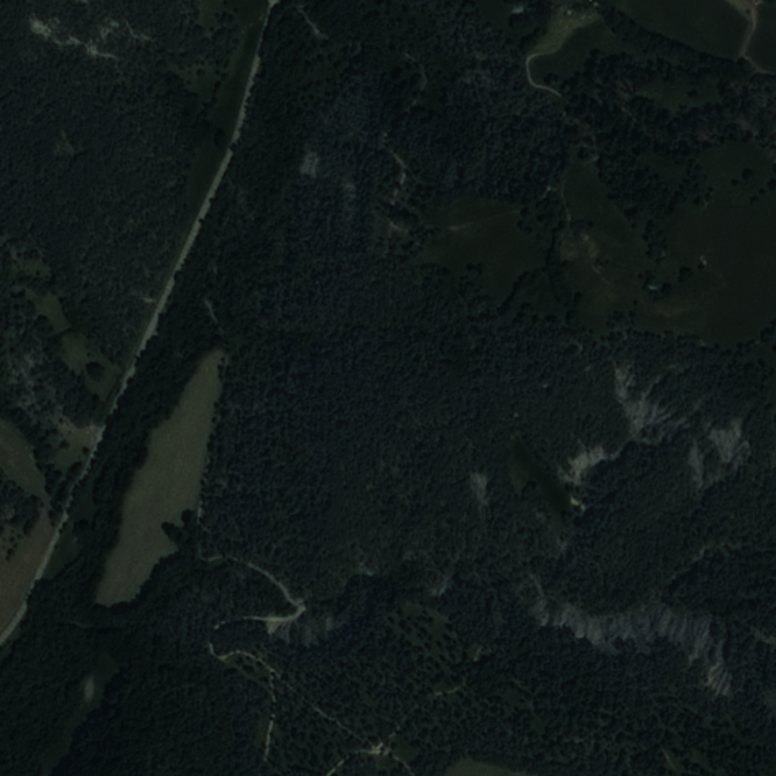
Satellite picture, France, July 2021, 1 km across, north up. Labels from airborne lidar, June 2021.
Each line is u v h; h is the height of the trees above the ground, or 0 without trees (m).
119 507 17
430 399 12
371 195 18
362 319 15
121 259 11
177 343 13
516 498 12
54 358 9
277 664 10
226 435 16
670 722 18
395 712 11
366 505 8
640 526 10
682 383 10
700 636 0
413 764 11
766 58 0
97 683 0
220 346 12
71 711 12
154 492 0
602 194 0
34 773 15
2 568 0
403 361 15
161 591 10
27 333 11
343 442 11
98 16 6
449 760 9
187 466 0
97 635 21
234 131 0
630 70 17
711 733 21
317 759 17
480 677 15
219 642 10
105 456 18
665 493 12
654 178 18
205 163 0
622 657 8
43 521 0
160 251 9
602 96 14
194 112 22
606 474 12
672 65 16
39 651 14
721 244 0
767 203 0
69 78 12
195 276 9
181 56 12
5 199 16
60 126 14
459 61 9
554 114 9
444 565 13
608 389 6
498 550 12
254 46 0
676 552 18
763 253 0
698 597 16
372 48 21
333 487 10
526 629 16
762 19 0
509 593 14
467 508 9
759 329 0
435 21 7
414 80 12
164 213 12
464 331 17
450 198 13
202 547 7
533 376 13
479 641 11
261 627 16
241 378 8
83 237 11
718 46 0
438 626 0
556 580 15
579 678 9
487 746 10
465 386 10
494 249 0
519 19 18
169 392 16
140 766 23
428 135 22
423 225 7
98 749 29
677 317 0
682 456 11
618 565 11
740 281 0
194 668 8
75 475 7
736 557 21
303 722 13
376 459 11
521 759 7
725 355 14
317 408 14
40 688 14
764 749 12
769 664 18
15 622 0
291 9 18
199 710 12
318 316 12
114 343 15
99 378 16
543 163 9
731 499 15
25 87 14
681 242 0
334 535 13
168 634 12
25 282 9
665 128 30
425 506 16
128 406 28
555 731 11
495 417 13
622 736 16
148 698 20
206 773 6
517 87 17
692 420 10
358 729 9
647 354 12
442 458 13
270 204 14
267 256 18
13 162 17
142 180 12
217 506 18
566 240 0
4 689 13
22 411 15
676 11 0
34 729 14
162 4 12
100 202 11
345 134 10
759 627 17
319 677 16
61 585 13
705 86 12
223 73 8
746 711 16
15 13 13
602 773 8
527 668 18
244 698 11
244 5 0
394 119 11
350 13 15
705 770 19
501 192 18
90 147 13
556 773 11
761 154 0
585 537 9
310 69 11
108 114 11
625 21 23
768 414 14
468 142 16
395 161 13
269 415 6
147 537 0
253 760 14
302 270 7
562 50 0
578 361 13
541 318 14
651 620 0
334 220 9
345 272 9
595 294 0
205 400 0
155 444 0
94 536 11
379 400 15
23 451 0
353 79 13
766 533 15
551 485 0
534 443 13
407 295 19
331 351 13
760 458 15
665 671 15
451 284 13
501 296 0
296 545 11
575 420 12
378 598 13
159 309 0
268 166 7
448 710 12
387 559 8
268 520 18
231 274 10
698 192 9
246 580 7
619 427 12
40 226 12
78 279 11
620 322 13
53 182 14
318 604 18
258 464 10
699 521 18
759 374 15
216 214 11
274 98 17
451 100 15
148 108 7
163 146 11
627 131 23
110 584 0
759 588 16
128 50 7
